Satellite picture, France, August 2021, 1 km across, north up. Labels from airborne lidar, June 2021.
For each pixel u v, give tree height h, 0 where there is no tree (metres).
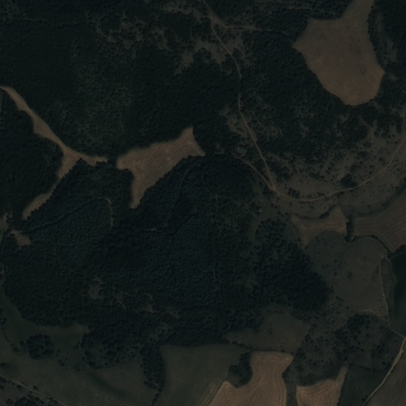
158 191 6
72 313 12
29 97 12
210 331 9
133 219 9
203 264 12
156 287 13
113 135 9
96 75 7
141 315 9
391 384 0
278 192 0
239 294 18
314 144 7
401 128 7
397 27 14
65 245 9
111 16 12
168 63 9
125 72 8
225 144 10
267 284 10
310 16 7
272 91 8
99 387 0
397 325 0
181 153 0
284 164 0
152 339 7
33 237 7
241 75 9
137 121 11
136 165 0
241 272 10
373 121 9
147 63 14
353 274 0
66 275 8
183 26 13
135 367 0
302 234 0
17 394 0
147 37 5
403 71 11
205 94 11
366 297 0
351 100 0
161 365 7
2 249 10
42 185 11
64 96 10
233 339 0
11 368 0
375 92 0
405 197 0
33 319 6
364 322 11
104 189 7
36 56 14
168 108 11
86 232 10
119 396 0
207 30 11
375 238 8
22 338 0
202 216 8
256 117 8
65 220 11
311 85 10
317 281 11
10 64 10
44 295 10
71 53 6
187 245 12
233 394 0
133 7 10
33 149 17
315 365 8
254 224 0
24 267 9
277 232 6
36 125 0
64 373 0
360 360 0
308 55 0
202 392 0
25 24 8
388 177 0
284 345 0
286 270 14
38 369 0
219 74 11
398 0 12
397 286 0
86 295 9
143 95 9
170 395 0
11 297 15
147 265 14
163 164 0
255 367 0
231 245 13
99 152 13
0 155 14
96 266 12
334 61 0
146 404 0
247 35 8
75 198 11
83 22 9
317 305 10
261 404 0
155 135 9
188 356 0
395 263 0
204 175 9
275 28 12
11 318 0
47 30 11
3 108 7
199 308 12
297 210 0
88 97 7
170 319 9
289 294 11
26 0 9
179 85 8
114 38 7
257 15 6
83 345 10
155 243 9
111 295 7
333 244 0
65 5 11
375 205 0
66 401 0
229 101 12
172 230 7
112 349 14
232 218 11
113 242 21
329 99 7
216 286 8
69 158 0
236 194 10
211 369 0
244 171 13
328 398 0
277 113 9
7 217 7
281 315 0
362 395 0
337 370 0
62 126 6
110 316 11
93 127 7
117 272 13
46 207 14
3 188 13
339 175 0
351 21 0
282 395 0
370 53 0
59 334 0
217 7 12
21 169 15
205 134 11
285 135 9
